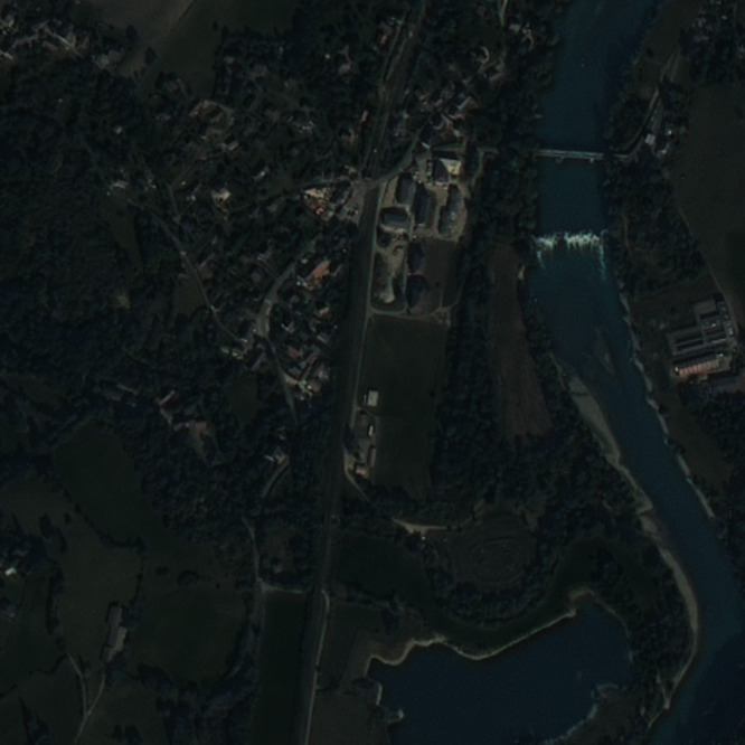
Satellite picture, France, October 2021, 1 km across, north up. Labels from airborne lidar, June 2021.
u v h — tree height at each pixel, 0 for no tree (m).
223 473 19
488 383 20
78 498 0
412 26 0
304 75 18
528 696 0
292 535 0
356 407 0
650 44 0
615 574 6
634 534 21
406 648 0
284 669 0
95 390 11
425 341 0
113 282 6
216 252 10
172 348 19
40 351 19
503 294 0
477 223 12
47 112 13
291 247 13
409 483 0
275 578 8
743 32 9
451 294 0
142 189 12
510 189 30
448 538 0
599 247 0
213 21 0
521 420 0
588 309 0
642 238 13
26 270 18
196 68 0
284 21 0
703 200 0
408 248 0
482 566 0
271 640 0
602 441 0
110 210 0
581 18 0
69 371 18
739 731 17
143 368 8
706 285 0
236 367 7
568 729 0
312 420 20
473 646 0
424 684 0
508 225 15
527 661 0
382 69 19
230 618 0
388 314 0
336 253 8
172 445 10
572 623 0
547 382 16
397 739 0
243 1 0
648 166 18
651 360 0
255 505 14
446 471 19
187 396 9
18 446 0
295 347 0
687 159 0
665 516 0
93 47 7
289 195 8
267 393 11
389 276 0
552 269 0
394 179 0
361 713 0
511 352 0
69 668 0
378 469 0
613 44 0
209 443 0
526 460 22
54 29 8
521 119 21
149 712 0
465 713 0
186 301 0
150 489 7
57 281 17
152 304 18
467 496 15
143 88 0
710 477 0
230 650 0
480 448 22
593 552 0
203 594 0
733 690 15
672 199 23
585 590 0
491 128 9
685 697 0
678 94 10
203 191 7
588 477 17
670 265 18
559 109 0
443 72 12
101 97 9
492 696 0
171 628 0
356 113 12
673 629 13
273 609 0
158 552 0
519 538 0
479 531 0
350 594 7
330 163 7
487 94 21
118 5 0
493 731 0
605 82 0
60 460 0
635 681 9
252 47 6
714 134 0
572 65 0
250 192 13
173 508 20
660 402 0
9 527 9
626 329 0
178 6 0
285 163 7
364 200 0
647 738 13
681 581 0
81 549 0
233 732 23
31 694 0
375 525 19
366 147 9
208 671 0
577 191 0
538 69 23
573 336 0
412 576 0
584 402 0
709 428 15
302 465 22
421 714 0
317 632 0
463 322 18
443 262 0
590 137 0
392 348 0
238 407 0
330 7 20
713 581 0
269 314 0
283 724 0
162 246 23
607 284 0
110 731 0
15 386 0
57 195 9
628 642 0
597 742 0
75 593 0
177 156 7
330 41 8
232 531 21
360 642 0
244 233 7
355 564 0
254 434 7
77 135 20
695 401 19
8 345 15
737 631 0
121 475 0
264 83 7
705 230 0
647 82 0
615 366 0
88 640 0
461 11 21
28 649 0
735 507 16
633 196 18
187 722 19
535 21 9
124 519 0
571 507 22
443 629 0
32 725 30
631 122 15
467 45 22
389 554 0
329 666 0
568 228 0
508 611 14
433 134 7
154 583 0
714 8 6
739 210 0
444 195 0
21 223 11
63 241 13
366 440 0
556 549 31
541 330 20
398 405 0
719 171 0
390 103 0
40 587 0
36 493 0
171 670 0
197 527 15
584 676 0
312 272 0
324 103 20
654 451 0
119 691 0
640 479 0
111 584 0
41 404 0
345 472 0
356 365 0
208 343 12
